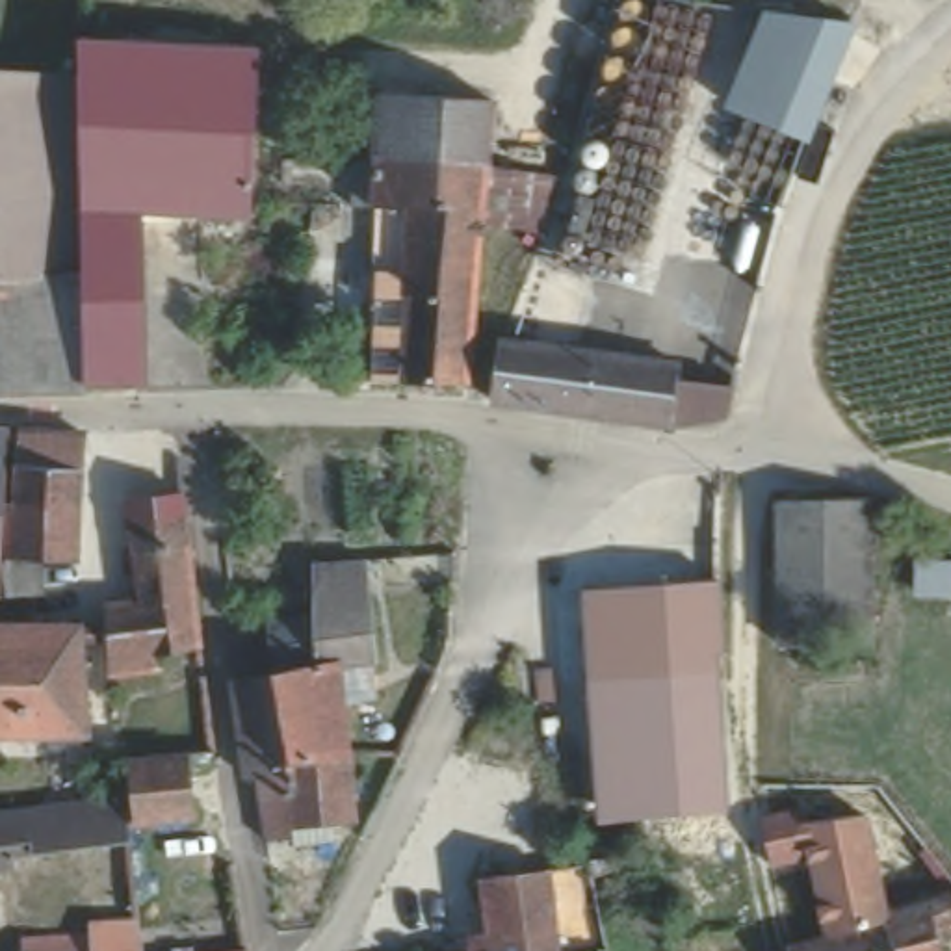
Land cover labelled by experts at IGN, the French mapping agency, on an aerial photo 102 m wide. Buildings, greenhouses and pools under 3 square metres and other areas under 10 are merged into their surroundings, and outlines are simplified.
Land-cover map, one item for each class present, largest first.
<instances>
[{"label":"building","instance_id":"1","mask_svg":"<svg viewBox=\"0 0 951 951\"><path fill-rule=\"evenodd\" d=\"M851 33L847 22L776 11L762 15L758 22L750 48L739 63V74L732 82L728 111L758 126L780 130L795 141H810L821 126L828 89L840 85V63L847 56ZM256 48L241 45H163L89 37L78 41L74 59L63 71H52L45 82H37V74L30 71L0 74V594L37 598L63 591L59 572L78 565V464L85 449V435L63 416L41 409H15L4 405V397L11 390L74 394L78 386L141 390L149 379V331L141 223L145 215H175L178 227H197L204 238H238L249 230L260 137ZM502 123V108L487 89L479 93V100L394 93L371 100V134L364 149H371L368 201L375 204V331L371 342H360V364L368 375H401L409 386L423 383L431 394L472 390L464 353L479 331L483 238L468 234V223L490 215L494 171V126ZM494 409L546 412L609 427L684 431L721 423L732 409V375L717 364H706L702 357L691 360L680 353H661L646 338L632 334L516 316L509 338H498L494 379L483 394ZM212 520H204L189 505V498L163 494L156 472L149 468H141L130 479L119 524H111L100 535L104 576L78 583L93 598V609H104L111 635L85 632L78 624L0 628V754L33 758L41 743H85L104 724V695L115 680L160 676V661L171 650L197 654L204 646L219 758L230 765L234 791L241 784L256 788L264 832H256L253 840L267 847L290 840L297 828H349L360 799V784L353 773V728L364 713L345 702L342 680L349 669H371V561L312 565V628L297 635V646L267 639V632L260 628L249 632L227 617L201 620L204 598L197 591V572L215 565V542H208ZM866 520L858 502L776 505V587L788 594H828L832 602L851 609L869 583ZM736 594H724L710 580L587 591L583 658L594 776V795L587 802V810L602 825H639L650 840H665V821L672 817H732V810L739 806L728 795V680ZM126 817H119L108 802H89L85 795L78 802H45L0 814V851L7 843H19L26 854L74 851L97 843L108 847L111 840H123L130 832V825L204 828V806L189 788V754H163L126 762ZM806 840L795 847V866H810V880L821 906V932L788 951H936L929 940L940 906H888L884 877L895 873V866L877 858L869 821L854 814L840 821L799 825ZM483 929L464 944V951H565L568 940L557 932L554 910V869L479 880ZM89 951H145V944L141 925L119 918L89 925ZM19 951H74L71 936H30Z\"/></svg>","mask_w":951,"mask_h":951},{"label":"impervious surface","instance_id":"2","mask_svg":"<svg viewBox=\"0 0 951 951\"><path fill-rule=\"evenodd\" d=\"M758 22L743 11H732L721 0H624L617 11L609 52L602 45L580 52L557 41L546 52V74L539 78V130L546 134L550 175L494 171L490 215L468 223V234L483 238L479 331L464 353L472 390L431 394L423 383L409 386L401 375H368L364 383H357L353 394L323 390L301 371L282 386H212L208 338H189L167 319L171 282L178 279L189 286L197 275L193 256L178 249V227L175 215H145L141 223L149 331V379L141 390L78 386L74 394L11 390L4 397V405L15 409H41L63 416L85 435V449L78 464V565L59 572L63 591L37 598L0 594V628L78 624L85 632L111 635L104 609H93V598L78 583L104 576L100 535L111 524H119L130 479L141 468H149L156 472L163 494L189 498L193 457L186 442L193 431L215 423L427 427L461 438L464 513L453 550L457 572L449 580V617L438 669L427 684V695L409 732L383 724L379 739H353V773L360 784V799L349 828L360 832V847L331 914L316 932H279L264 925V869L271 866L267 847L253 840V847L234 862L212 854V895L223 925L219 936H163L145 944V951H364L375 947L379 936L368 929V914L383 899V884L397 866V854L405 851L409 836L416 832L427 810V791L438 784L442 765L453 754H461V680L468 672L490 669L502 643H516L520 650H528L531 661L546 658L554 680L583 658L587 591L710 580L713 524L698 516V483L710 472H754L784 464L817 476H836L840 468H877L906 490L918 494L925 505L951 513V472L906 464L888 457V449L862 446L847 431L843 416L832 409L817 375L814 338L832 249L866 171L873 167V156L892 134L877 119L899 100L914 108L918 89L929 78L944 74V67L951 63V11H944V19L925 37L918 30H910L903 41H892L888 33L877 41L851 33L847 56L840 63V85L828 89L821 126L810 141H795L780 130L758 126L728 111L732 82L739 74V63L750 48ZM516 316L632 334L646 338L661 353H680L691 360L702 357L706 364H717L732 375V409L721 423L684 431L609 427L546 412L494 409L483 394L494 379L498 338H509ZM371 149H364L353 152L334 175L342 204L323 208L312 223V282H319L323 290L316 297V312H327L331 323L360 327V342H371L375 331V204L368 201ZM331 178L323 167L286 163L282 186H319ZM918 598H951V561H929L914 568ZM63 743H41L33 758L0 754V788H78L74 773H59Z\"/></svg>","mask_w":951,"mask_h":951},{"label":"herbaceous vegetation","instance_id":"3","mask_svg":"<svg viewBox=\"0 0 951 951\"><path fill-rule=\"evenodd\" d=\"M535 15V0H383L368 11V26L360 33L345 41H308L293 26L290 0H256L249 19H227L201 7H145L115 0H0V74L30 71L37 74V82H45L52 71H63L74 59L78 41L89 37L163 45H241L256 48L260 137L282 134L286 119H301L334 71L360 67L379 41L394 45L405 56L416 52V45L505 52L520 45ZM241 442L264 457V464L275 472V479L297 505V516L290 520V539L275 550L245 546L230 554L227 546L230 516L253 505L241 490H230L227 479V461L230 453H238ZM193 457L189 498V505L204 520H212L208 542H215V565L197 572V591L204 598L201 620L227 617V594L234 591L256 598L279 594L275 617L260 628L267 632V639L297 646V635L312 628V565L371 561V669H349L342 680L345 702L364 713L353 728V739H379L383 724L409 732L427 695V684L438 669L449 617V580L457 572L453 550L464 513L461 438L427 427L215 423L193 431L186 442ZM342 461H368L371 468H386L397 461V476L427 479L423 539L405 542L397 520L345 531ZM461 754H472L483 765L528 773L531 791L528 799L509 806L513 828L502 843L487 840L476 851V862L464 873V880H438V892L446 895L442 932L379 936L375 947L364 951H464V944L483 929L479 880L554 869H572L580 877L587 921L594 914L606 921L602 951H743L739 936L747 921L702 918L691 906V895L676 884L680 851H672L665 840H650L639 825H602L587 810V802L580 795H565L557 780L554 680L546 658L531 661L528 650H520L516 643H502L490 669L468 672L461 680ZM163 754H189V788L204 806V828L130 825V832L123 840H111L108 847L97 843L74 851L26 854L19 843H7L0 851V951H19L30 936H71L74 951H89V925L119 918L141 925L145 944L163 936H219L223 925L212 895V854L234 862L253 847V840L256 832H264L256 788L241 784L234 791L230 765L219 758L204 646L197 654L171 650L160 661V676L115 680L104 695V724L85 743H63L59 773H74L78 788H0V814L45 802H78L85 795L89 802H108L119 817H126V762ZM360 847V832L349 828H297L290 840L267 847L271 866L264 869V925L279 932H316L331 914Z\"/></svg>","mask_w":951,"mask_h":951},{"label":"pervious surface","instance_id":"4","mask_svg":"<svg viewBox=\"0 0 951 951\"><path fill-rule=\"evenodd\" d=\"M145 7H201L227 19H249L256 0H115ZM624 0H535V15L520 45L505 52L416 45V52L405 56L394 45L379 41L360 67L371 100L394 93L479 100V93L487 89L502 108V123L494 126V171L550 175L546 134L539 130V78L546 74V52L557 41L580 52L602 45L609 52L617 11ZM732 11H743L758 22L762 15L776 11L847 22L851 33L877 41L888 33L892 41H903L910 30H918L925 37L944 19V11H951V0H721ZM892 134L929 123H951V63L944 67V74L929 78L918 89L914 108L899 100L877 119ZM906 490L877 468H840L836 476H817L784 464L754 472H710L698 483V516L713 524L710 580L724 594H736L728 680V795L739 806L732 810V817H672L665 821V840L672 851H680L676 884L691 895V906L702 918L747 921L739 936L743 951H788L821 932V906L810 880V866H795V847L806 840L799 825L840 821L854 814L869 821L877 858L895 866V873L884 877L888 906H940L929 940L936 951H951V880L932 877L929 866L906 862L895 821L877 810V799L866 784H840L832 795H773L769 784H758V632L788 643L791 661L814 669L817 654L828 643V628H851V609L832 602L828 594H788L776 587V505L858 502L866 520L880 516ZM557 780L565 795H580L587 802L594 795V776L583 658L554 680ZM531 791L528 773L483 765L472 754H453L442 765L438 784L427 791V810L416 832L409 836L405 851L397 854V866L383 884V899L368 914V929L379 936L442 932L446 895L438 892V880H464V873L476 862V851L487 840L502 843L513 828L509 806L528 799ZM554 910L557 932L568 940L565 951H602L606 921L594 914L587 921L580 877L572 869H554Z\"/></svg>","mask_w":951,"mask_h":951},{"label":"deciduous trees","instance_id":"5","mask_svg":"<svg viewBox=\"0 0 951 951\"><path fill-rule=\"evenodd\" d=\"M383 0H290L293 26L308 41H345L360 33L368 26V11ZM371 134V100L360 67L334 71L301 119H286L282 134L260 137L249 230L238 238H204L197 227H178V249L193 256L197 275L189 286L178 279L171 282L167 319L189 338H208L212 386H282L301 371L323 390L353 394L357 383H364L368 375L360 364V327L331 323L327 312H316V297L323 290L319 282H312V223L323 208L342 204L334 175L353 152L364 149ZM286 163L323 167L331 178L319 186H282ZM227 479L230 490H241L253 505L230 516L227 546L230 554L245 546L275 550L290 539V520L297 516V505L275 479V472L264 464V457L241 442L238 453H230L227 461ZM427 479L397 476V461L386 468H371L368 461H342L345 531L397 520L405 542L423 539ZM279 594L256 598L234 591L227 594V617L249 632L260 628L275 617Z\"/></svg>","mask_w":951,"mask_h":951},{"label":"agricultural land","instance_id":"6","mask_svg":"<svg viewBox=\"0 0 951 951\"><path fill-rule=\"evenodd\" d=\"M869 583L851 609V628H828V643L817 654L814 669L791 661L788 643L758 632V784H769L773 795H832L840 784H866L877 799V810L895 821L906 862L929 866L932 877L951 880V598H918L914 568L929 561H951V513L925 505L918 494L906 490L880 516L866 520Z\"/></svg>","mask_w":951,"mask_h":951},{"label":"vineyard","instance_id":"7","mask_svg":"<svg viewBox=\"0 0 951 951\"><path fill-rule=\"evenodd\" d=\"M817 375L832 409L843 416L847 431L862 446L888 449V457L906 464L951 472V123H929L892 134L873 156V167L866 171L832 249L814 338Z\"/></svg>","mask_w":951,"mask_h":951}]
</instances>
